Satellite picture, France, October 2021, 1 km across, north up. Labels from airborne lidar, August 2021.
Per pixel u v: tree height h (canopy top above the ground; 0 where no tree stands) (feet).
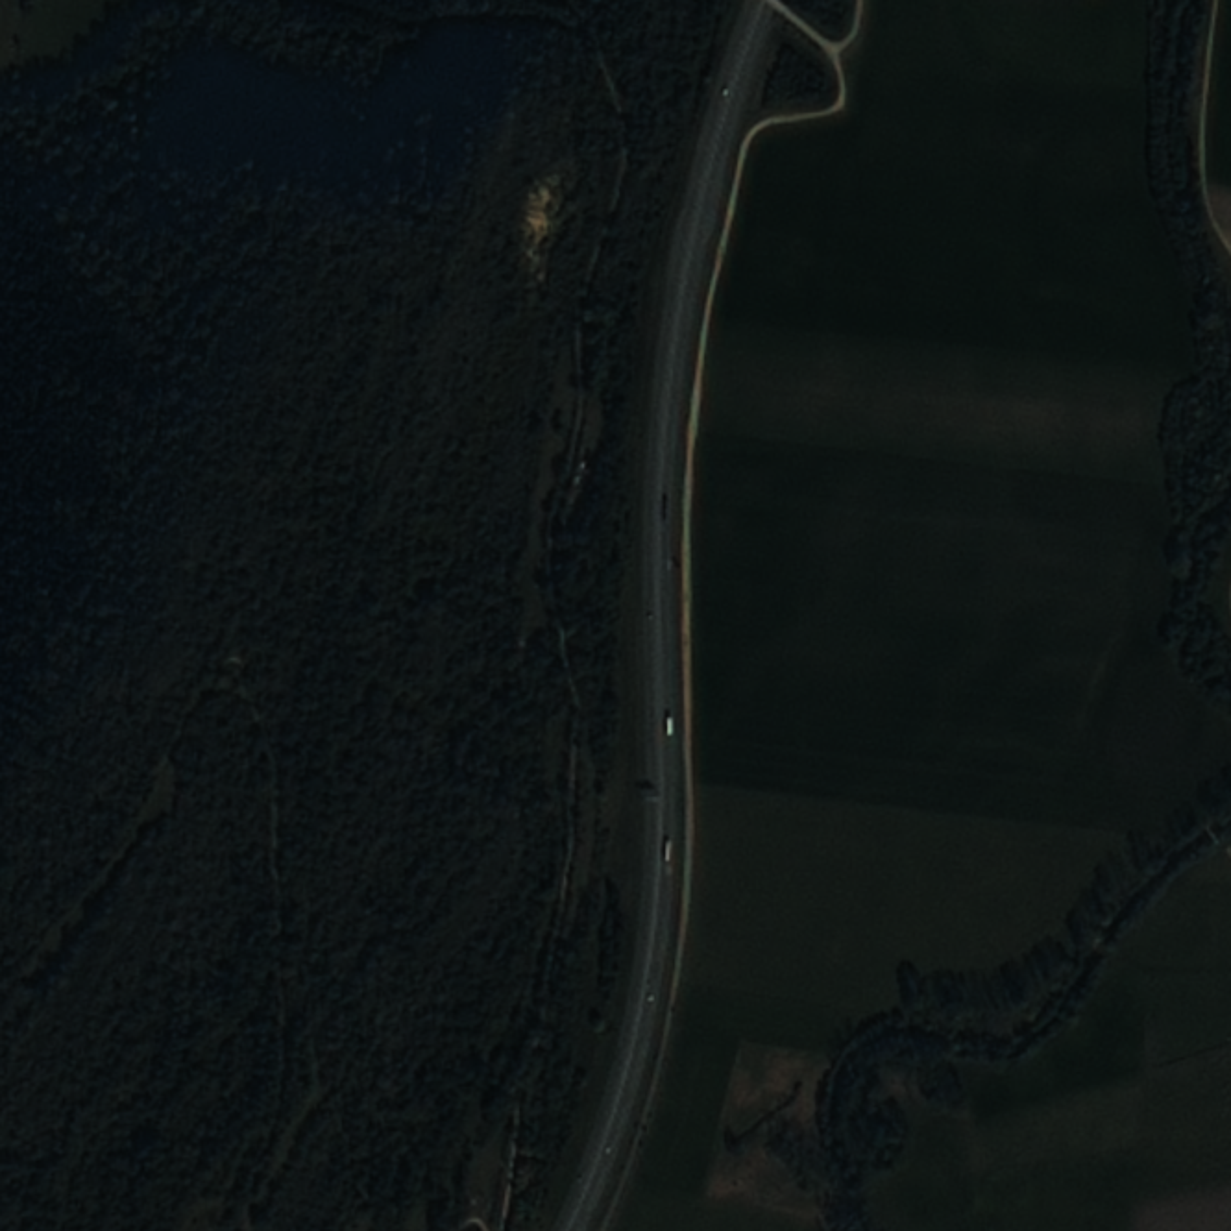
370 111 28
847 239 0
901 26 0
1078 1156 0
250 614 32
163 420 32
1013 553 0
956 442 0
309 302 28
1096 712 0
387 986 44
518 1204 30
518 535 21
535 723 47
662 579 0
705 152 0
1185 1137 0
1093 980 64
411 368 23
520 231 24
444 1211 45
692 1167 0
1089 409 0
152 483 20
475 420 33
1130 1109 0
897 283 0
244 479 26
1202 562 26
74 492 55
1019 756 0
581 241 18
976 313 0
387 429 30
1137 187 0
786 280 0
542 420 18
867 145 0
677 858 0
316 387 20
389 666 33
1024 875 0
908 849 0
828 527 0
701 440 0
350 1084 38
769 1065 0
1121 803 0
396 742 36
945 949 0
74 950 41
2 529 51
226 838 25
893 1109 0
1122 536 0
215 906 27
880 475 0
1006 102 0
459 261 34
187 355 32
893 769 0
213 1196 43
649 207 20
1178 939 0
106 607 38
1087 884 0
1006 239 0
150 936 19
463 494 31
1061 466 0
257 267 31
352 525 41
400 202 35
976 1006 65
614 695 38
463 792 28
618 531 47
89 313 68
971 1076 0
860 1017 0
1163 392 0
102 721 25
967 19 0
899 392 0
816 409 0
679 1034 0
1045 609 0
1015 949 0
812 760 0
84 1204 38
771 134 0
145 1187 76
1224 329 18
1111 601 0
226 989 62
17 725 40
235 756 42
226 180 24
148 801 30
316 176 54
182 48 37
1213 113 0
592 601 32
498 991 54
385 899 36
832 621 0
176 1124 46
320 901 25
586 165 23
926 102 0
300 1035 53
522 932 59
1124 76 0
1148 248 0
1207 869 0
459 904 24
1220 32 0
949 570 0
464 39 26
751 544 0
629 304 29
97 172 61
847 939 0
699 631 0
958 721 0
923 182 0
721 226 0
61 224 58
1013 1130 0
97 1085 38
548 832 37
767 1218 0
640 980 0
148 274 49
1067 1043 0
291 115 38
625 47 19
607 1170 0
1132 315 0
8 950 26
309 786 53
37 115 46
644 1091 0
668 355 0
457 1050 47
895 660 0
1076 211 0
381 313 56
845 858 0
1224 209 0
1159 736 0
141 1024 35
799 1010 0
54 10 0
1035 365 0
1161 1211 0
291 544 39
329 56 36
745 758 0
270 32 46
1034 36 0
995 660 0
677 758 0
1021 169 0
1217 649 18
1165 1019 0
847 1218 33
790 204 0
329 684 51
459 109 59
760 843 0
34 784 37
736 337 0
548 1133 54
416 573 29
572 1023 50
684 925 0
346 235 22
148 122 49
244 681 38
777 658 0
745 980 0
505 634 34
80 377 59
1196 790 0
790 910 0
